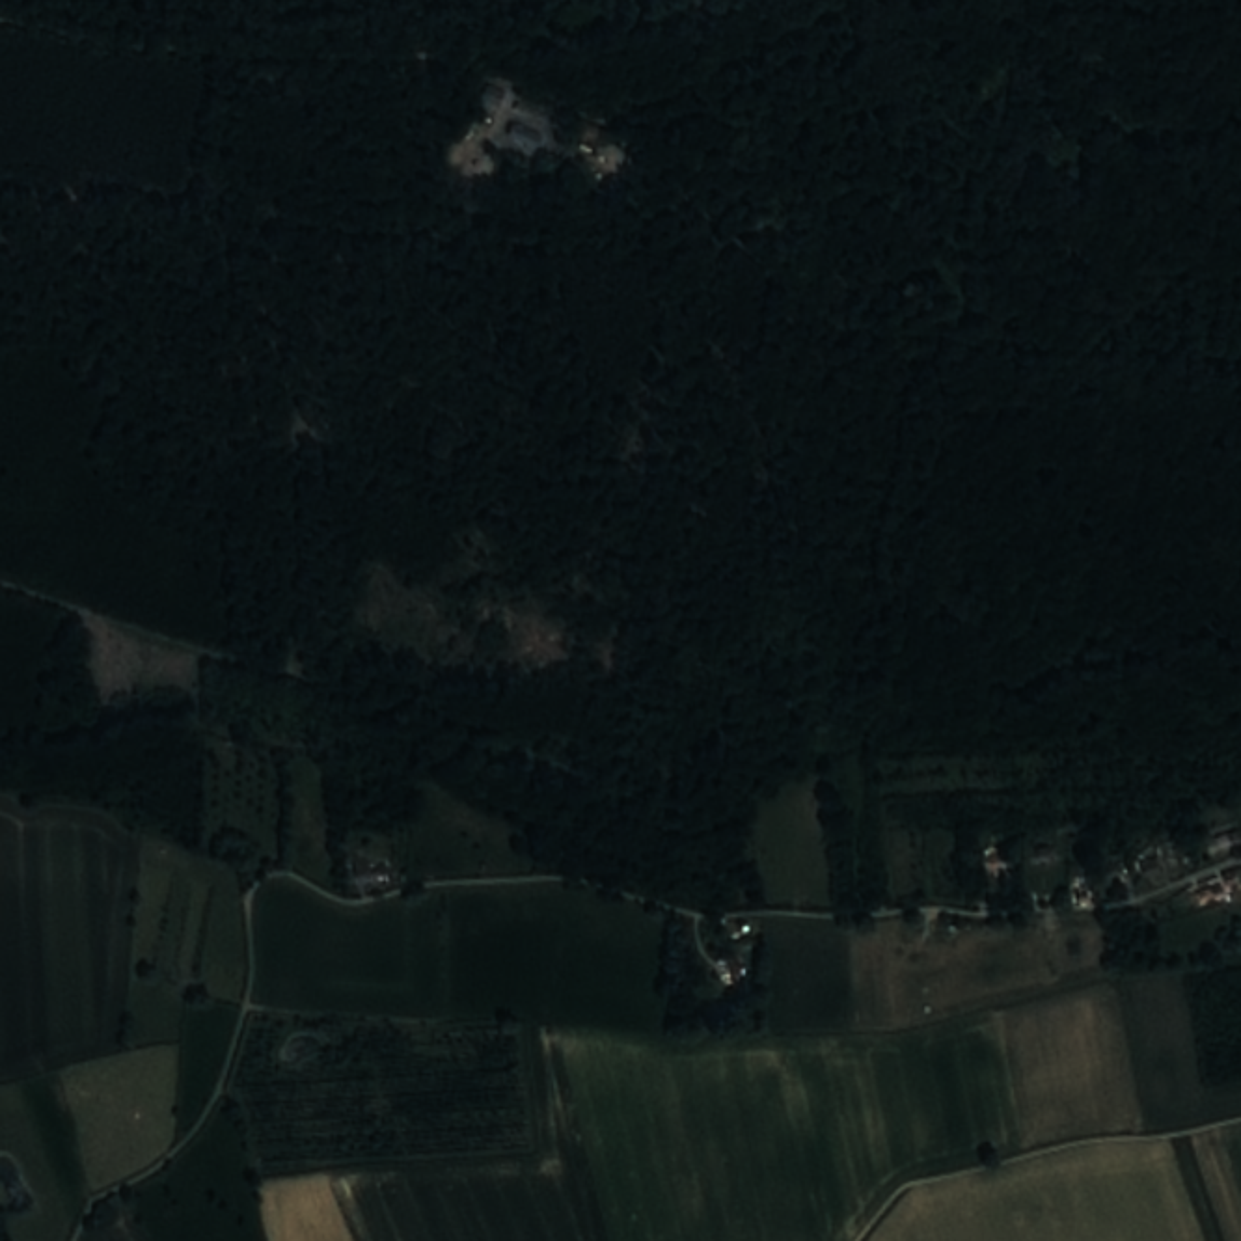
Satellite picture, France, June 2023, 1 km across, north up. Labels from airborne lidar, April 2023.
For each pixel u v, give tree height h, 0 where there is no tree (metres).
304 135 22
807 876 0
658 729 20
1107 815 11
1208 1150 0
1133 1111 0
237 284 18
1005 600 25
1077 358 25
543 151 7
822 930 0
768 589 18
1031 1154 0
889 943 0
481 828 0
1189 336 22
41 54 9
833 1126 0
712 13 18
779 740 20
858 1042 0
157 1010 0
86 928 0
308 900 0
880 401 18
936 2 21
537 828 23
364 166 20
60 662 19
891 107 20
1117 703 21
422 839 0
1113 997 0
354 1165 0
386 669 21
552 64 23
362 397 19
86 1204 0
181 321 20
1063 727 18
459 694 24
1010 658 25
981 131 18
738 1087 0
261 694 15
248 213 19
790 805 0
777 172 19
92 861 0
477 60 18
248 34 19
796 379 15
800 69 20
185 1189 0
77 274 20
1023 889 12
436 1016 0
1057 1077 0
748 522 20
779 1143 0
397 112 20
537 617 0
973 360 23
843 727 18
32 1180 0
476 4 19
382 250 21
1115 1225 0
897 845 0
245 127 19
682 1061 0
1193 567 25
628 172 20
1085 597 23
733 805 19
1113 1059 0
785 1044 0
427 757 15
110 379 20
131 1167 0
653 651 26
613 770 15
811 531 19
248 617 21
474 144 0
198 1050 0
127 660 0
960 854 13
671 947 19
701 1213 0
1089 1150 0
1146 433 24
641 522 20
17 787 8
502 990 0
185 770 15
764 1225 0
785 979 0
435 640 0
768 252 19
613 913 0
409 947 0
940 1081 0
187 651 0
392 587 0
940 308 27
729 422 18
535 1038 0
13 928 0
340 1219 0
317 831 0
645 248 17
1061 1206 0
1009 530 20
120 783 11
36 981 0
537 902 0
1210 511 25
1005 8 18
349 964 0
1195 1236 0
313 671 9
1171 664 26
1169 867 0
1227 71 23
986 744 10
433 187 19
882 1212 0
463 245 19
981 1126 0
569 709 15
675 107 18
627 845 22
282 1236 0
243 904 0
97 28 20
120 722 20
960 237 18
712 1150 0
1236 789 12
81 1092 0
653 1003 0
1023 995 0
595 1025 0
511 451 21
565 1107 0
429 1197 0
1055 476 20
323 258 21
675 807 20
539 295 25
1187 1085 0
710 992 0
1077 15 23
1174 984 0
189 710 18
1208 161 26
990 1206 0
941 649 23
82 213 20
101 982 0
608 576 20
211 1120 0
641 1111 0
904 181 16
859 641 20
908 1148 0
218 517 21
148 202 17
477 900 0
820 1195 0
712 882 17
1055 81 23
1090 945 0
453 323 20
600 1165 0
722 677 16
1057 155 0
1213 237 26
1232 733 10
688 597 15
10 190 20
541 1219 0
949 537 20
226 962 0
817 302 21
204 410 19
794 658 23
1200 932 0
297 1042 0
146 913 0
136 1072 0
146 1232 0
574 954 0
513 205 18
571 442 22
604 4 16
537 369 21
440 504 16
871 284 23
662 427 24
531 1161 0
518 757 20
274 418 21
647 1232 0
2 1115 0
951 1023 0
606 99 20
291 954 0
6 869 0
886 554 21
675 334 20
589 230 18
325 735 18
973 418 20
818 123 21
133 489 21
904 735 16
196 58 6
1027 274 27
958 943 0
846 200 23
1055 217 28
